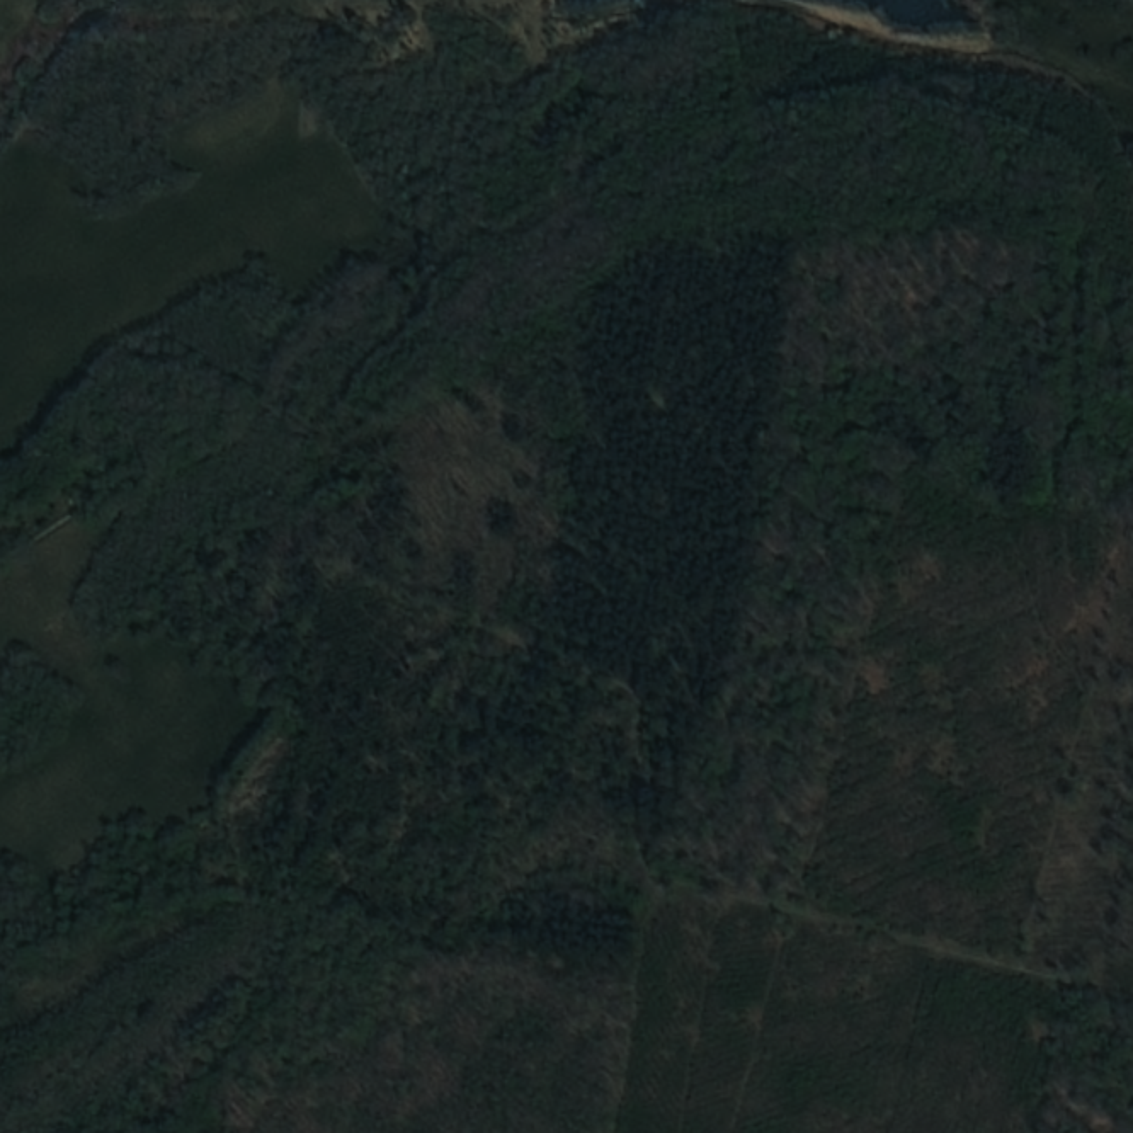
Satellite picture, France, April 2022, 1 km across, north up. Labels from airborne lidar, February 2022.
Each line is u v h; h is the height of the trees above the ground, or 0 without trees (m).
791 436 28
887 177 26
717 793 24
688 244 21
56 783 0
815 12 0
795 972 6
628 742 24
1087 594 7
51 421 23
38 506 21
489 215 28
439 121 14
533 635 21
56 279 0
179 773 0
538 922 30
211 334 22
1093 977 28
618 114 25
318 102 19
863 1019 6
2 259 0
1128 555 0
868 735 6
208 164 0
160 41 19
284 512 26
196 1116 25
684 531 29
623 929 27
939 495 9
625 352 35
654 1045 6
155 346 25
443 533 18
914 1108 8
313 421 25
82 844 0
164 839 13
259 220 0
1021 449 36
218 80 23
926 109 22
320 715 8
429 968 25
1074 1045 29
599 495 30
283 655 24
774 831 31
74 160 16
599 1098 22
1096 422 26
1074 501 26
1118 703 0
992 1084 8
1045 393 28
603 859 25
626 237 26
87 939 25
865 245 27
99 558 14
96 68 22
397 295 22
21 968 24
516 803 20
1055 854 0
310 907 28
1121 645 0
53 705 25
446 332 30
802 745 29
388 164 14
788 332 29
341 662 7
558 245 32
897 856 7
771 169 29
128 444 29
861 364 27
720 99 18
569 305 31
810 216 23
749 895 29
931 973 6
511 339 30
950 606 9
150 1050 0
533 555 21
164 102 21
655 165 29
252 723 0
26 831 0
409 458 15
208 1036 11
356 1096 22
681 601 29
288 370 34
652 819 28
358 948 29
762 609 34
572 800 25
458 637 7
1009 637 9
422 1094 23
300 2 0
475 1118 26
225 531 24
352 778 9
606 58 28
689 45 29
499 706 24
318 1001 27
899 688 6
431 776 11
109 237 0
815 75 12
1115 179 11
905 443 23
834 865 9
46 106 23
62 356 0
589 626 21
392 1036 26
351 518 22
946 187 27
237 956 0
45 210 0
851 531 31
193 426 30
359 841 12
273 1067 32
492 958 21
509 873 25
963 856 7
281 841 21
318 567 25
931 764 8
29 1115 24
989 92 12
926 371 18
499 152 26
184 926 0
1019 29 12
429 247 31
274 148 0
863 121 25
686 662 27
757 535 28
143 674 0
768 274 26
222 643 21
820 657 25
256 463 20
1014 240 24
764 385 33
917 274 30
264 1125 18
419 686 9
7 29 0
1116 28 0
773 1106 7
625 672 27
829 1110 6
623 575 27
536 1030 20
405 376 31
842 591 31
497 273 30
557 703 22
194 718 0
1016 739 6
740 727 26
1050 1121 18
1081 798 28
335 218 0
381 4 0
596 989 22
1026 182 34
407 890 22
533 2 0
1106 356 10
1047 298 20
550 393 21
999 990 9
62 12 13
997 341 24
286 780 7
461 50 16
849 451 25
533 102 22
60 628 0
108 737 0
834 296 26
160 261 0
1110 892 0
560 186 29
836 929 8
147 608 24
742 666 32
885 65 11
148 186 23
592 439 20
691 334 27
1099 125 11
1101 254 26
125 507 28
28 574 0
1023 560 8
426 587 20
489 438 16
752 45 14
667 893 26
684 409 27
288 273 0
